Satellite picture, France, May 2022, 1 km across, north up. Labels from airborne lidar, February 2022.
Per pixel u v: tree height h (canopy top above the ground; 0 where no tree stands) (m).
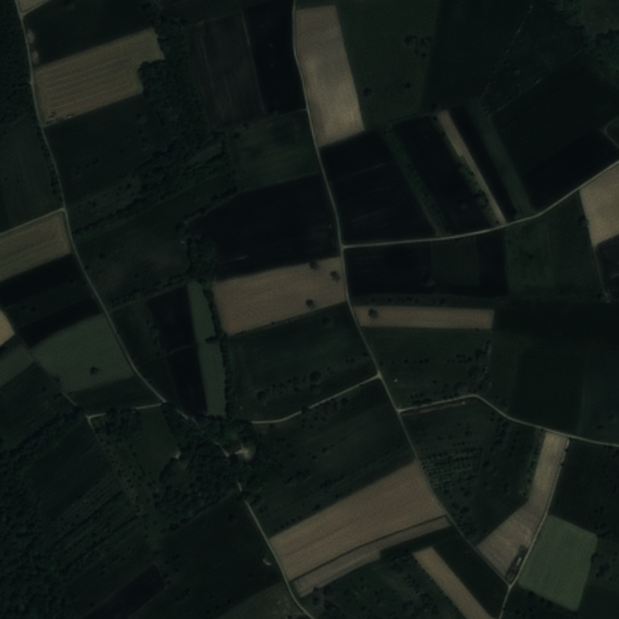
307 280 0
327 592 12
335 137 0
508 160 0
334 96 0
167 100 16
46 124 0
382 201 0
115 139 0
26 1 0
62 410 0
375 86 0
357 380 0
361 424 0
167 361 0
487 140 0
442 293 0
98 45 0
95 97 0
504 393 0
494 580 0
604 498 0
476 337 0
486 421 0
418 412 0
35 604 24
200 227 0
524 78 0
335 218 0
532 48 0
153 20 13
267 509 7
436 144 0
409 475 0
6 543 22
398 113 0
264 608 0
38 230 0
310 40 0
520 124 0
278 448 0
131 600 0
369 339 0
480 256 0
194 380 0
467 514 12
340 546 0
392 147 0
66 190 0
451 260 0
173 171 16
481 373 17
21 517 22
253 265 0
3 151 0
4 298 0
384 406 0
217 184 0
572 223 0
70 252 0
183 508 11
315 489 0
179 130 9
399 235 0
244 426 10
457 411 0
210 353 0
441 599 0
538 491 0
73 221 0
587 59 0
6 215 0
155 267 0
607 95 0
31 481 0
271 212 0
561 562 0
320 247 0
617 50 24
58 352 0
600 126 0
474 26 0
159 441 0
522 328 0
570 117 0
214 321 10
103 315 0
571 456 0
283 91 0
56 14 0
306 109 0
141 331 0
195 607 0
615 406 0
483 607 0
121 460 0
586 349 0
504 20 0
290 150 0
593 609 0
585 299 0
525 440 0
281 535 0
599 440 0
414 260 0
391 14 0
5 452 19
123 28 0
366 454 0
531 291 0
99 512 8
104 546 7
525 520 0
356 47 0
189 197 0
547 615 0
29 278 0
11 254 0
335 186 0
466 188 0
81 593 0
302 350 0
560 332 0
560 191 0
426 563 0
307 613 0
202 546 0
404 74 0
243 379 0
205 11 0
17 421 0
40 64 0
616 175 0
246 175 0
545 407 0
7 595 21
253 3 0
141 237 0
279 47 0
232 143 0
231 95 0
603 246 0
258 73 0
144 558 0
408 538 0
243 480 11
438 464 7
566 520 0
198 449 16
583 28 14
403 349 0
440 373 0
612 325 0
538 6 0
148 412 0
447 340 0
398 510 0
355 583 0
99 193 0
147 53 0
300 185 0
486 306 0
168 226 0
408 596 0
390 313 0
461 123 0
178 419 15
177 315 0
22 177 0
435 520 0
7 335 0
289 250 0
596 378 0
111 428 11
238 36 0
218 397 0
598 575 8
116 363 0
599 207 0
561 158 0
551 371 0
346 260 0
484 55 0
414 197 0
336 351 0
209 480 13
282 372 0
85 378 0
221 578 0
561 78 0
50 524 0
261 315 0
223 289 0
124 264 0
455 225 0
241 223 0
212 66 0
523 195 0
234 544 0
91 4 0
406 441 0
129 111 0
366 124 0
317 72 0
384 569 0
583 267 0
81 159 0
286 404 0
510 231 0
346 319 0
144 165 8
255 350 0
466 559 0
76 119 0
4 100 13
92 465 0
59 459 0
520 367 0
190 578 0
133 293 7
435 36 0
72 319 0
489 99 0
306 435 0
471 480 12
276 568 0
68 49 0
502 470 0
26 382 0
